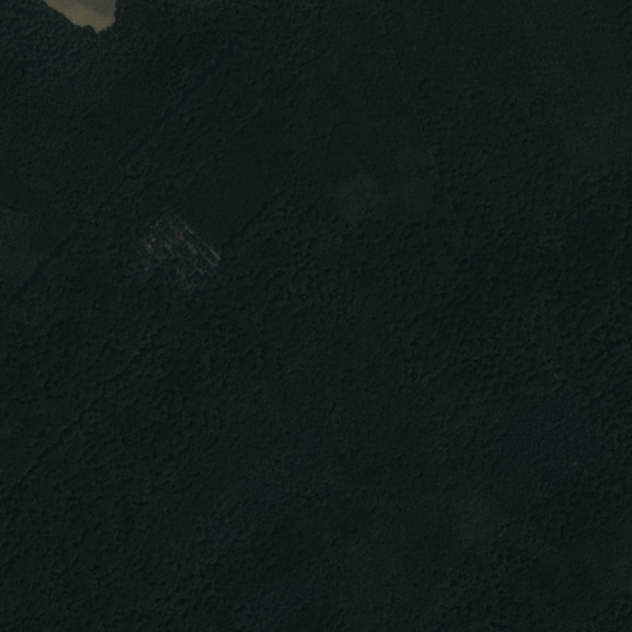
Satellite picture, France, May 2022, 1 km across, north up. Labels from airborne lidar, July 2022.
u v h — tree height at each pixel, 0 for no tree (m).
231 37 8
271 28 23
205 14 22
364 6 17
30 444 22
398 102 17
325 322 25
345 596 19
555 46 21
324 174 19
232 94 25
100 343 26
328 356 23
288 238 8
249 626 29
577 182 24
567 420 19
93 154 15
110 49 27
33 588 26
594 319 25
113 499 23
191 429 20
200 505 25
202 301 26
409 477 22
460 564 17
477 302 30
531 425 21
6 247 25
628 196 25
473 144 26
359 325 26
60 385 26
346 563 20
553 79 21
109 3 0
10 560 9
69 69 34
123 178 22
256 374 22
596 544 15
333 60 18
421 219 12
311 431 20
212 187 12
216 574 25
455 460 22
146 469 22
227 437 28
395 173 17
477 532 22
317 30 16
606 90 21
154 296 29
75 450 30
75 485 28
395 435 23
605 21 20
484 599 24
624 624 23
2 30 29
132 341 25
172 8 21
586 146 14
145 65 11
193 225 15
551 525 26
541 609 20
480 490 20
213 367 12
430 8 21
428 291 22
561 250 21
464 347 22
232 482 24
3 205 19
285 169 18
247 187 12
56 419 24
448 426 23
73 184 15
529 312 19
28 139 14
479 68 20
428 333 25
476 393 22
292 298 25
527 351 23
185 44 10
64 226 8
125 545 29
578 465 22
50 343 20
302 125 15
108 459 24
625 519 17
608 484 29
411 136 16
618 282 23
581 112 17
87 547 21
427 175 18
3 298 22
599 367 30
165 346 22
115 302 24
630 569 19
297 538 25
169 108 8
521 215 25
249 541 19
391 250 27
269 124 14
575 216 25
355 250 26
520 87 22
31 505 25
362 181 15
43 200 12
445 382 27
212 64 8
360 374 23
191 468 28
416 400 21
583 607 14
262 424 25
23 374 31
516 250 28
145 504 20
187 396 24
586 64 21
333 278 25
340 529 28
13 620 20
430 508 22
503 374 27
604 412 26
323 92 17
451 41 21
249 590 23
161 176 25
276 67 22
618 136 17
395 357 25
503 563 27
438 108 21
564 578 17
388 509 22
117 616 21
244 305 20
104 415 31
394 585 21
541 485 20
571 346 27
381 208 16
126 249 26
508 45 22
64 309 29
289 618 30
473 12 23
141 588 24
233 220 11
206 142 23
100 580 24
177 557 17
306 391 21
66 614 21
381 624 21
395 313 25
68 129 15
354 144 16
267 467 20
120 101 11
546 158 20
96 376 24
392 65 17
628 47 19
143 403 26
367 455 24
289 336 21
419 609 24
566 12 22
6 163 12
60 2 0
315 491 22
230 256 18
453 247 25
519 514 22
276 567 28
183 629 26
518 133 22
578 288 27
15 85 17
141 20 21
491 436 13
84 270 30
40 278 27
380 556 24
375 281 25
